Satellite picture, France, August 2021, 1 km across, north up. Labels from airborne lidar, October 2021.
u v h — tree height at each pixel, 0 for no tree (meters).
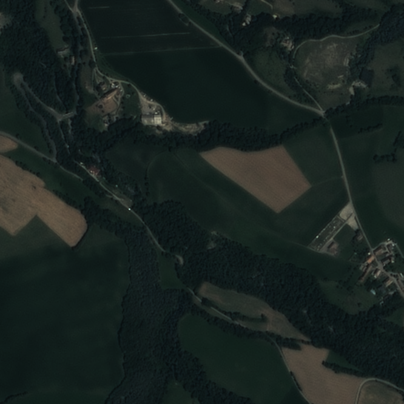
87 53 13
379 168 0
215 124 12
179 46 0
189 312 16
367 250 9
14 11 8
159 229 9
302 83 9
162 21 0
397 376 12
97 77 0
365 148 0
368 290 6
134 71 0
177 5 0
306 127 18
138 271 12
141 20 0
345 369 13
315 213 0
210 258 21
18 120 0
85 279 0
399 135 8
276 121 0
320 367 0
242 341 0
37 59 10
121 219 11
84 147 12
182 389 0
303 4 0
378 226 0
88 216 14
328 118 13
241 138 19
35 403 0
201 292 0
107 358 0
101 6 0
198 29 0
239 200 0
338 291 0
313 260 0
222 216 0
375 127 10
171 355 22
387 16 16
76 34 17
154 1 0
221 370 0
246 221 0
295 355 0
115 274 0
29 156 0
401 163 0
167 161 0
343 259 0
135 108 0
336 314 14
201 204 0
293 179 0
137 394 14
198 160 0
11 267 0
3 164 0
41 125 10
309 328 10
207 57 0
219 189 0
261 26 18
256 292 11
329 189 0
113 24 0
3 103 0
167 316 8
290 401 0
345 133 0
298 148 0
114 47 0
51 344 0
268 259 15
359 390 0
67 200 13
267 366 0
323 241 0
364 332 15
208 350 0
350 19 21
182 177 0
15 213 0
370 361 17
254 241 0
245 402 18
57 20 0
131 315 17
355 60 8
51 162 15
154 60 0
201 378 26
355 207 0
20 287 0
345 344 14
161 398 22
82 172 9
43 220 0
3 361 0
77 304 0
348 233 0
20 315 0
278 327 0
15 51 14
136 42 0
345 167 0
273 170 0
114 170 12
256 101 0
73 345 0
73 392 0
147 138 20
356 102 16
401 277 0
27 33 13
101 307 0
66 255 0
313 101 10
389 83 0
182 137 25
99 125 0
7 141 0
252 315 0
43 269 0
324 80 0
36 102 17
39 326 0
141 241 14
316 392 0
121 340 16
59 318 0
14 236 0
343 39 0
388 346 13
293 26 21
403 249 0
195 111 0
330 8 0
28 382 0
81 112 16
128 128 12
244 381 0
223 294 0
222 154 0
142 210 15
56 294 0
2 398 0
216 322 19
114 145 24
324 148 0
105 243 0
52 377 0
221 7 0
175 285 0
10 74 12
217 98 0
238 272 10
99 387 0
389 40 12
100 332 0
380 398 0
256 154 0
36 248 0
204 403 24
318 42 0
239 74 0
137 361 19
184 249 14
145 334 18
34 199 0
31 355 0
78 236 0
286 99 0
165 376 15
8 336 0
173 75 0
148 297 16
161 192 0
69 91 22
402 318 0
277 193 0
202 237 15
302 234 0
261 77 0
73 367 0
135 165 0
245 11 15
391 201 0
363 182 0
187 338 0
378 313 26
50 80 18
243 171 0
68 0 0
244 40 19
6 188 0
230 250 21
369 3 0
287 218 0
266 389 0
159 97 0
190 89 0
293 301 22
